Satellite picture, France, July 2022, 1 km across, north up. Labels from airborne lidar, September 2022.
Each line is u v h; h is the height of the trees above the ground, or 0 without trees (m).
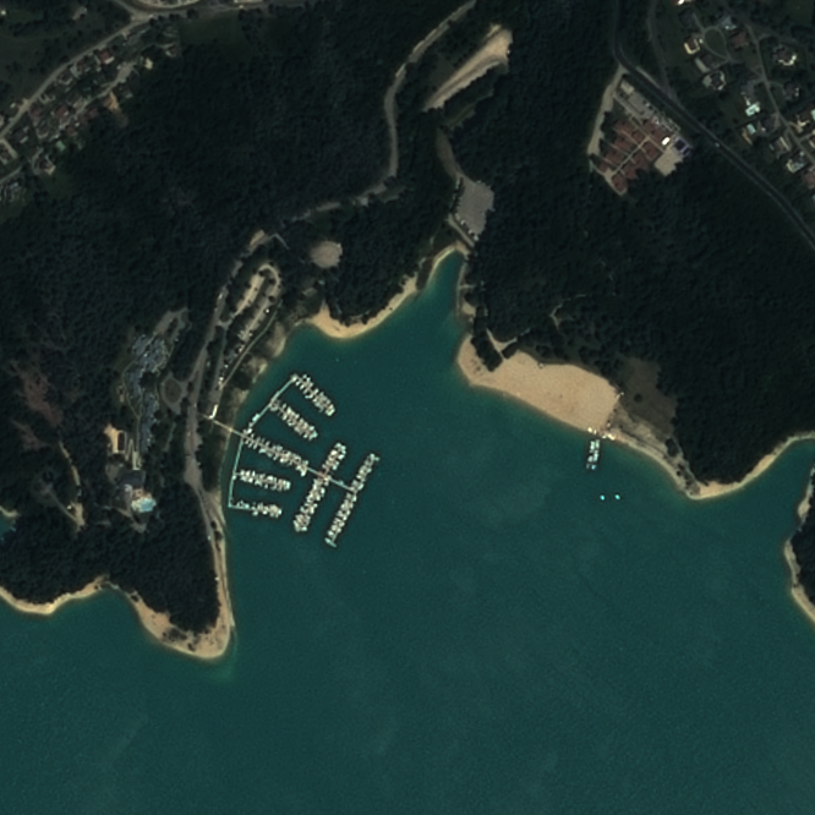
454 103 13
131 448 0
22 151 11
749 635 0
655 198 17
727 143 11
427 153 13
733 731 0
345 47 19
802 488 0
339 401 0
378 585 0
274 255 15
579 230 16
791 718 0
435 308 0
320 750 0
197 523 19
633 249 14
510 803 0
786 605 0
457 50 15
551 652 0
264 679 0
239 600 0
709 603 0
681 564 0
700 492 0
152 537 19
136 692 0
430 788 0
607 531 0
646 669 0
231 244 26
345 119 19
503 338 7
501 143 10
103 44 0
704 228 15
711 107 6
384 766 0
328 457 0
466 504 0
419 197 19
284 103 25
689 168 18
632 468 0
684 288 22
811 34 19
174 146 19
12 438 18
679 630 0
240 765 0
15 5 19
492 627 0
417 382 0
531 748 0
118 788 0
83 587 20
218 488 0
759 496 0
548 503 0
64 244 16
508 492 0
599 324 7
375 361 0
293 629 0
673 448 15
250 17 19
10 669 0
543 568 0
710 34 0
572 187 12
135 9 0
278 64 8
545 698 0
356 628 0
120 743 0
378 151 14
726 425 18
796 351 14
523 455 0
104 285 20
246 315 7
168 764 0
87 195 8
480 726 0
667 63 0
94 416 15
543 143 17
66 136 9
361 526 0
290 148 19
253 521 0
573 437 0
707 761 0
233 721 0
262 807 0
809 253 8
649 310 19
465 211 0
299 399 0
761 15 15
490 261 15
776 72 9
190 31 0
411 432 0
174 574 23
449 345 0
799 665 0
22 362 31
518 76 17
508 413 0
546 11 27
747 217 8
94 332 16
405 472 0
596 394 0
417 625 0
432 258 0
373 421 0
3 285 22
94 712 0
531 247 9
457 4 16
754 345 10
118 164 6
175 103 18
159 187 21
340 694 0
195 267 18
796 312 6
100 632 0
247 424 0
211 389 15
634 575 0
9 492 15
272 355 0
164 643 0
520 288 9
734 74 13
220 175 22
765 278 8
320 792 0
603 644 0
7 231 7
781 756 0
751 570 0
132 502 0
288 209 26
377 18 15
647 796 0
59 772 0
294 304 20
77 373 8
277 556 0
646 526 0
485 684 0
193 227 20
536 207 13
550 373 0
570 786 0
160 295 18
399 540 0
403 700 0
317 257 0
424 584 0
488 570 0
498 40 0
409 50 18
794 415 20
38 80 0
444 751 0
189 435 0
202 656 0
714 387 14
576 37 14
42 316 24
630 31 14
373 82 19
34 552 17
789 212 0
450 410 0
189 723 0
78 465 17
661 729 0
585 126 14
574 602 0
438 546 0
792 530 0
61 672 0
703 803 0
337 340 0
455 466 0
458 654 0
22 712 0
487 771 0
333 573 0
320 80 21
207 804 0
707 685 0
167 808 0
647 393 0
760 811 0
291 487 0
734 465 17
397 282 12
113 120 19
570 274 16
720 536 0
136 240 15
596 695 0
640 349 16
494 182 8
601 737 0
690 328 20
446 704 0
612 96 0
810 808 0
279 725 0
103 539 24
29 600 19
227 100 24
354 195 22
